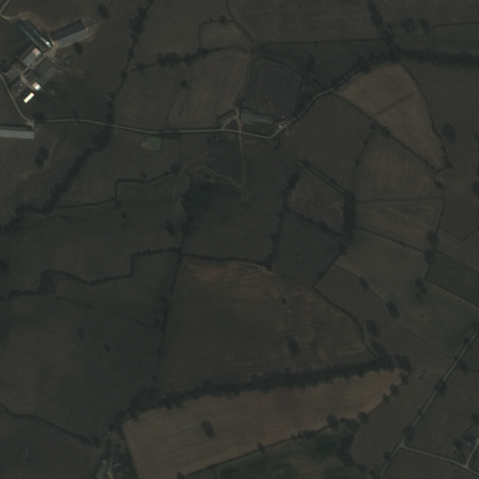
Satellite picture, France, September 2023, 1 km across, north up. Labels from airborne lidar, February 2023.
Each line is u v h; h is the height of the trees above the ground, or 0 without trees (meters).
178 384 0
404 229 0
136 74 0
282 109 0
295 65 0
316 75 0
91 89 0
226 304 0
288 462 0
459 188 0
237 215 0
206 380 0
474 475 0
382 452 0
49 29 0
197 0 0
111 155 0
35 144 0
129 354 0
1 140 0
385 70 0
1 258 0
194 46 0
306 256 0
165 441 0
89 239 0
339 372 15
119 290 0
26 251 0
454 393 0
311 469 0
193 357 0
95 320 0
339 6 0
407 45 0
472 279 0
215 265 0
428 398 0
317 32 0
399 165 0
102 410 0
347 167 0
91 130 0
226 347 0
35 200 0
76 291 0
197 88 0
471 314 0
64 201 0
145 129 0
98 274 0
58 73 0
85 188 0
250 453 0
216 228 0
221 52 0
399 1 0
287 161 0
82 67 0
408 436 19
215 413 0
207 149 0
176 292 0
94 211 0
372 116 0
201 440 0
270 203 0
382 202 0
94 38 0
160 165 0
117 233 0
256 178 0
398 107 0
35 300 0
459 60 17
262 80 0
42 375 0
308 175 0
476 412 0
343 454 15
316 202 0
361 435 0
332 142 0
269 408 0
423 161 0
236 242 0
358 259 0
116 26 0
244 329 0
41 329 0
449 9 0
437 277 0
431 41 0
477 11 0
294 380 14
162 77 0
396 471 0
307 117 0
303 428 0
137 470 0
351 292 0
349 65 0
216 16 0
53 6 0
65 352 0
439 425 0
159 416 0
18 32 0
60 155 0
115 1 0
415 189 0
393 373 0
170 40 0
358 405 0
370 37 0
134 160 0
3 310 0
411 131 0
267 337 0
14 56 0
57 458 0
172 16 0
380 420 0
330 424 16
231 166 0
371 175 0
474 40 0
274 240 15
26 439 0
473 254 0
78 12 0
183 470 0
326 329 0
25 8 0
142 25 15
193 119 0
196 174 0
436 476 0
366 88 0
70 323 0
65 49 0
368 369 6
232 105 0
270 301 0
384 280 0
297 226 0
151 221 0
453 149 0
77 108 0
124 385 0
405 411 0
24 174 0
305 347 0
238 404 0
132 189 0
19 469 0
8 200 0
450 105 0
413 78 0
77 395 0
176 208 0
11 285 0
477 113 0
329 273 0
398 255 0
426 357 0
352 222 21
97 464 0
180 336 0
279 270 0
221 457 0
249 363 0
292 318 0
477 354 0
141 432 0
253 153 0
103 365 0
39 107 0
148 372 0
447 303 0
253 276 0
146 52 0
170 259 0
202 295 0
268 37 0
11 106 0
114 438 0
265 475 0
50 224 0
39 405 0
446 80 0
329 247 0
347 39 0
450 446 0
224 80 0
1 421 0
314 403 0
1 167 0
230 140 0
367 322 0
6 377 0
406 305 0
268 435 0
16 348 0
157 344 0
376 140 0
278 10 0
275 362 0
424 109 0
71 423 0
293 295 0
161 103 0
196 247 0
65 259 0
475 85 0
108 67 0
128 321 0
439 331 0
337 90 0
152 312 0
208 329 0
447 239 0
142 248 0
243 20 0
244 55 0
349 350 0
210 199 0
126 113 0
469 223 0
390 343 0
